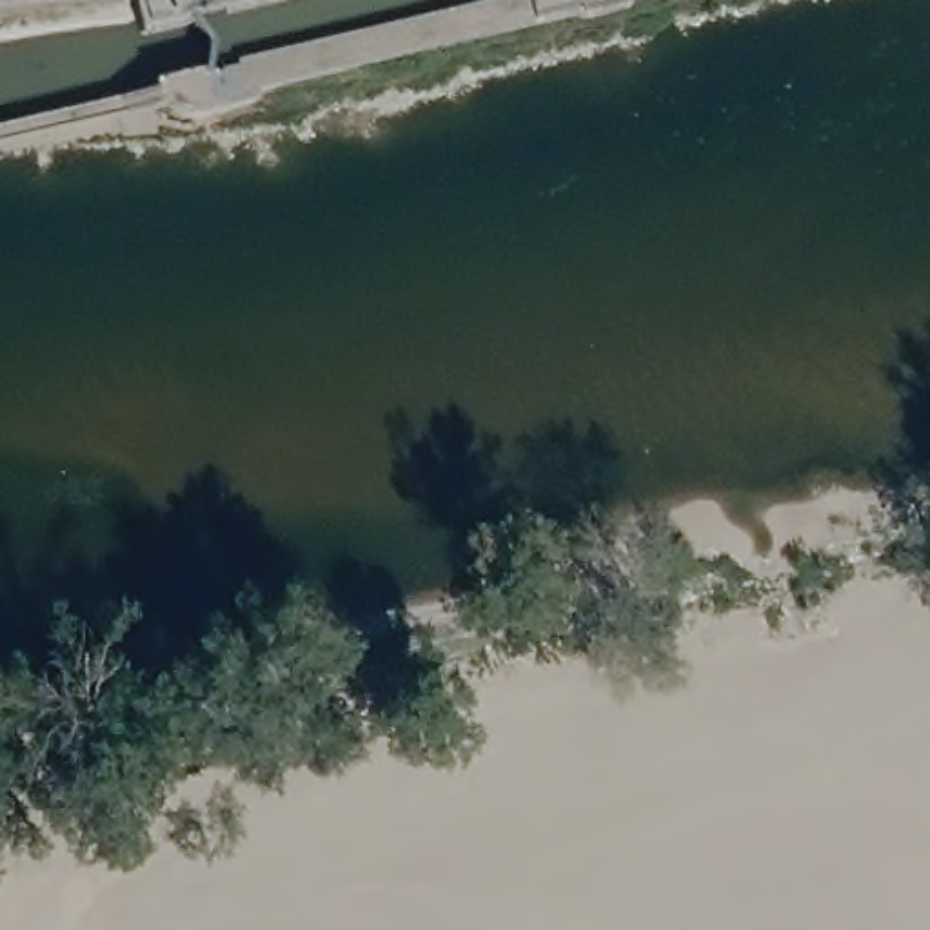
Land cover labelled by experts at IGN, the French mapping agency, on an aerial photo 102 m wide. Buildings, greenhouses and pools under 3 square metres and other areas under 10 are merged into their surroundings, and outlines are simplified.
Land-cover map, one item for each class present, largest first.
<instances>
[{"label":"water","instance_id":"1","mask_svg":"<svg viewBox=\"0 0 930 930\"><path fill-rule=\"evenodd\" d=\"M476 0H280L247 11H214L203 15L196 25L163 36H149L142 25L131 22L0 44V124L62 105L142 91L153 87L163 73L193 65H236L247 54L309 44L352 29H371L429 11H447ZM912 483L930 487V0H774L770 7L745 18H719L679 29H665L650 44L632 47H610L589 58L480 80L476 87H465L450 98L418 102L389 116L341 109L320 120L312 138L258 134L240 145L196 142L178 153L58 149L47 167H40L29 153L0 160V672L11 668L15 654H25L29 672L51 683L62 676L65 661L98 650L105 658H124L142 672L160 676L167 668H178L203 643L214 618H225L236 632L247 625L236 610V592H243V585L280 589L287 596L291 585H302L309 592V603L331 610L334 625L356 628L371 614H381L389 607L440 603L443 596H480L483 589H494L509 574L519 538L534 530L538 516L552 519L563 530L585 527L581 516L589 512V505H607L610 512L665 509H668L687 501H716L734 527H741L752 538L756 552L767 556V509L774 505L810 501L825 490L879 494Z\"/></svg>","mask_w":930,"mask_h":930},{"label":"bare soil","instance_id":"2","mask_svg":"<svg viewBox=\"0 0 930 930\"><path fill-rule=\"evenodd\" d=\"M131 22V4H116L80 11L69 18L0 25V44ZM930 512V487L912 483L879 494L825 490L810 501L774 505L767 509V556L756 552L752 538L741 527H734L716 501H687L668 509L672 523L683 530L698 556H730L756 578V585H763V596L752 607L719 614L712 607V592L723 574L690 578L679 596V661L654 676L625 672L618 661L589 665L581 654H563L559 661L512 654L501 668L483 672L480 687L472 690L476 705L458 708V719L480 723L483 734L476 741L461 737L450 752V767L407 763L389 748V737H378L363 745V759H352L331 774H316L309 767L283 770V777L272 788L243 781L233 767H207L185 781L163 785V803L171 810L207 803L214 788L233 792L236 817L243 828L240 839L225 846V861L185 857L171 843V821L153 817V854L138 868L120 872L105 861L80 865L69 839L54 828V821L36 806L29 792H18V803L51 850H25L15 843H4L0 850V930H930V607L923 603V592L908 574H897L883 563V552L890 541H897L901 523L919 527ZM785 545L843 556L854 567V578L828 592L817 607L799 610L788 585L792 563L785 559ZM665 509L610 512L607 505H589V512L581 516L585 527V549L592 567H607L610 574L618 570L628 581V589H636L647 578L639 538L643 530H654V519ZM458 614L450 596H443L440 603L389 607L381 614H371L356 628L367 647L392 658H400L411 647L407 625H447Z\"/></svg>","mask_w":930,"mask_h":930},{"label":"deciduous trees","instance_id":"3","mask_svg":"<svg viewBox=\"0 0 930 930\"><path fill-rule=\"evenodd\" d=\"M585 527L563 530L552 519L538 516L534 530L519 538L509 574L494 589H483L480 596H450L458 614L461 625L480 636L494 628L505 632V650L512 654L559 661L563 654H581L589 665L618 661L625 672L654 676L679 661V596L690 578L723 574L712 592V607L719 614L752 607L763 596V585H756V578L730 556H698L683 530L672 523L668 509H665L654 519V530H643L639 538L647 578L636 589H628V581L618 570L610 574L607 567H592L585 549ZM883 563L897 574H908L923 592V603L930 607V512L919 527L901 523L897 541H890L883 552ZM785 559L792 563L788 585L799 610L817 607L828 592L854 578V567L843 556L785 545ZM236 610L247 625L236 632L225 618H214L203 643L178 668H167L160 676L142 672L124 658H105L98 650L65 661L62 676L51 683L29 672L25 654H15L11 668L0 672V850L4 843H15L25 850H51L18 803V792H29L36 806L54 821V828L69 839L80 865L105 861L120 872L138 868L153 854V817L171 821V843L185 857L225 861V846L240 839L243 828L236 817L233 792L214 788L207 803L171 810L163 803V785L185 781L207 767H233L243 781L272 788L283 777V770L309 767L316 774H331L352 759H363V745L378 737H389V748L407 763L450 767V752L461 737L476 741L483 734L480 723L458 719V708L476 705L472 690L461 679V672L447 668L432 650V625H407L411 647V654L421 658L425 672L418 676V698L400 701L381 723L374 719V712H367L360 727L352 723L349 730H338L334 723H341V705L334 694L349 683L367 647L356 628L334 625L331 610L309 603V592L302 585H291L287 596L280 589L243 585V592H236Z\"/></svg>","mask_w":930,"mask_h":930},{"label":"impervious surface","instance_id":"4","mask_svg":"<svg viewBox=\"0 0 930 930\"><path fill-rule=\"evenodd\" d=\"M116 4H131V22L142 25L149 36H163L196 25L203 15L214 11H247L280 0H0V25L69 18L80 11ZM636 0H476L447 11H429L371 29H352L309 44L247 54L236 65H193L163 73L153 87L142 91L62 105L0 124V160L29 153L40 167H47L58 149L178 153L196 142L240 145L258 134L312 138L320 120L341 109L389 116L418 102L450 98L465 87H476L480 80L589 58L610 47H632L625 33H614L607 40L519 54L498 69H461L447 84L418 91L338 98L309 113L302 124H258L222 131L214 120L258 105L269 91H280L287 84L338 76L371 62L436 51L527 25L599 18L628 11ZM774 0H752L701 15H679V29L719 18H745L770 7Z\"/></svg>","mask_w":930,"mask_h":930},{"label":"herbaceous vegetation","instance_id":"5","mask_svg":"<svg viewBox=\"0 0 930 930\"><path fill-rule=\"evenodd\" d=\"M752 0H636L628 11L599 18L527 25L436 51L371 62L338 76L287 84L280 91H269L258 105L214 120L222 131L258 124H302L309 113L338 98L418 91L447 84L461 69H498L519 54L607 40L614 33H625L632 47L650 44L665 29H679V15H701ZM432 650L447 668L461 672V679L472 690L480 687L483 672L501 668L512 654L505 650V632L494 628L480 636L461 625L458 614L447 625H432ZM418 676L425 672L421 658L411 654V647L400 658H392L367 647L349 683L334 694L341 705V723H334L338 730H349L352 723L360 727L367 712H374V719L381 723L400 701L418 698Z\"/></svg>","mask_w":930,"mask_h":930}]
</instances>
